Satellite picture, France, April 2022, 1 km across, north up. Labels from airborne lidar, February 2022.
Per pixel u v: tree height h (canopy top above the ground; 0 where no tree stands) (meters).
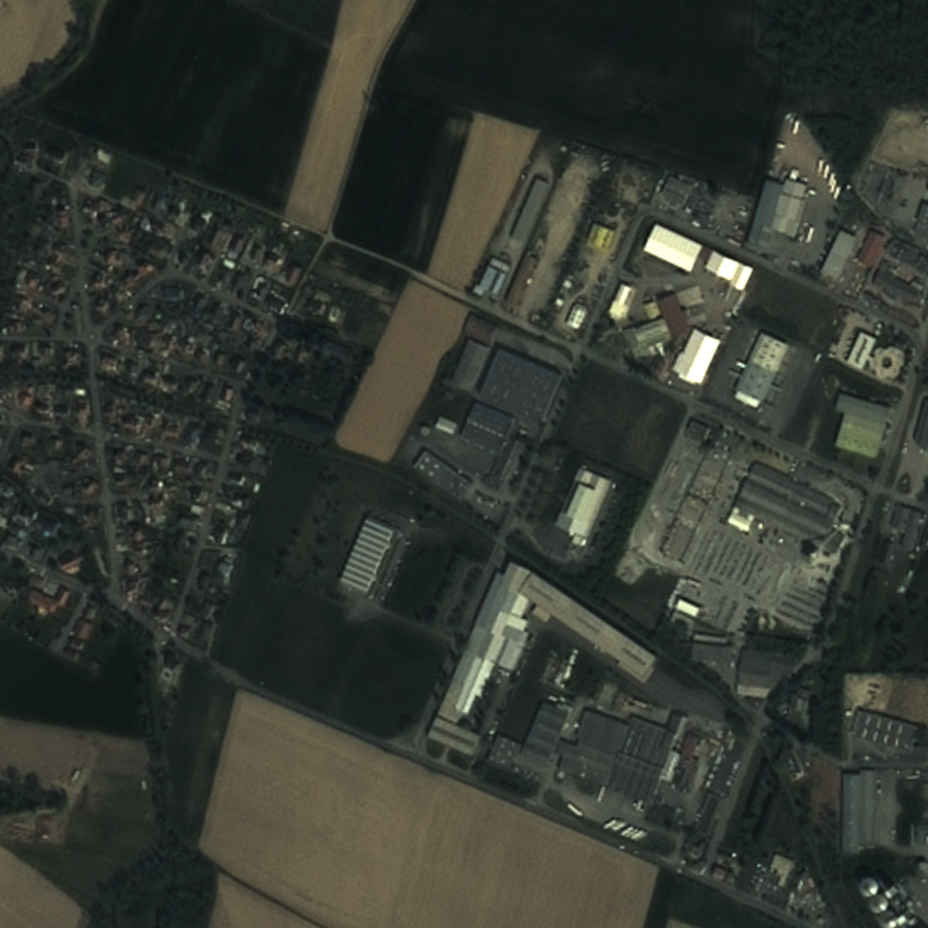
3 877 0
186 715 0
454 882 0
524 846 0
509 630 0
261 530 0
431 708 0
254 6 0
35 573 0
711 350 0
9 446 0
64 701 0
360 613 0
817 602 0
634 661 0
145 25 0
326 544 12
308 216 0
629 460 0
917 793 0
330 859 0
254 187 0
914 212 0
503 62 0
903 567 0
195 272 0
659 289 0
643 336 0
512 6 0
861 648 0
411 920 0
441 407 0
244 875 0
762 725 0
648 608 0
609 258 0
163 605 0
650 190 0
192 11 0
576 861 0
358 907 0
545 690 0
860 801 0
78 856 0
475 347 0
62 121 0
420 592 0
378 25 0
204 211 0
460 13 0
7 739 0
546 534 0
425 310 0
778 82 0
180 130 0
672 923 0
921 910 0
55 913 0
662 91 0
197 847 0
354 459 0
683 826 0
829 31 20
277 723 0
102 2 0
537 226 0
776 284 0
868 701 0
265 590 0
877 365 0
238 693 0
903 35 15
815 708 11
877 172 0
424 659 0
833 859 12
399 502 0
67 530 17
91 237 8
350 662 0
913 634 0
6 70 0
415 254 0
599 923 0
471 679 0
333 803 0
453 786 0
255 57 0
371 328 0
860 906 10
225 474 0
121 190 0
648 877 0
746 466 0
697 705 0
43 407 0
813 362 0
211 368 0
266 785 0
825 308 0
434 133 0
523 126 0
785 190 0
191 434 0
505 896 0
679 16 0
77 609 0
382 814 0
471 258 0
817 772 0
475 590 9
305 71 0
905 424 0
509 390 0
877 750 0
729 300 0
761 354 0
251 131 0
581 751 0
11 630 0
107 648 0
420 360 0
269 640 0
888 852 0
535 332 0
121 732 0
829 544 0
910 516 0
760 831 10
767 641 9
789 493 0
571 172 0
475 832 0
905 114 0
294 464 0
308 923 0
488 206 0
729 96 0
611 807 0
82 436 0
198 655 0
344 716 0
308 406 0
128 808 0
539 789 0
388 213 0
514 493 0
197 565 0
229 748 0
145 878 11
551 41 0
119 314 0
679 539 0
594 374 0
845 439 0
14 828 0
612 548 6
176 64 0
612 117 0
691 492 0
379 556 0
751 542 0
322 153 0
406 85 0
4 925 0
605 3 0
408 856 0
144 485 0
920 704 0
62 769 0
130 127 0
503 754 0
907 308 0
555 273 0
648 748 0
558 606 0
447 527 0
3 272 9
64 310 0
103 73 0
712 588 0
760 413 0
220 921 0
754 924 0
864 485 0
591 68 0
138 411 0
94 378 0
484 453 0
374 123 0
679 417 0
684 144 0
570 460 0
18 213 0
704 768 0
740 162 0
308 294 0
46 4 0
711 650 0
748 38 0
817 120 10
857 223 0
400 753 0
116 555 0
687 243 0
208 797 0
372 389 0
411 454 0
